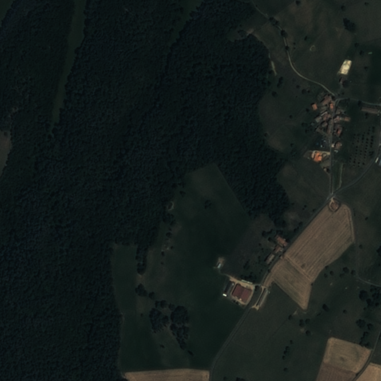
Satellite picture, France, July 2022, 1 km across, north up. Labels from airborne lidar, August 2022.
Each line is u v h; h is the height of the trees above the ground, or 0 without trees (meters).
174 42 0
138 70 19
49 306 10
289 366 0
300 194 0
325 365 0
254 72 22
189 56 21
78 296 25
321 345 0
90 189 17
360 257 0
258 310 0
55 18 22
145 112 11
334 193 0
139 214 10
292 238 0
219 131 20
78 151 19
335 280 0
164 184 28
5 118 15
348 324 0
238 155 21
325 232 0
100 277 20
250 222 0
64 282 21
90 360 25
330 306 0
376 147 0
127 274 0
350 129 0
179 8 8
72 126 20
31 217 17
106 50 18
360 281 0
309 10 0
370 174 0
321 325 0
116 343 11
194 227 0
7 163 11
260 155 15
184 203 0
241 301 0
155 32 18
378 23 0
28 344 14
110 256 10
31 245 15
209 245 0
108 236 14
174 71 18
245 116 15
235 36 0
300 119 0
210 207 9
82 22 0
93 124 14
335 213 0
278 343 0
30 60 17
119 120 12
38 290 15
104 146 18
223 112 22
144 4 16
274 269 0
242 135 20
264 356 0
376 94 0
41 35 22
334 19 0
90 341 25
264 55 17
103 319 16
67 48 18
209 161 19
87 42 21
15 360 13
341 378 0
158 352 0
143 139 14
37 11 16
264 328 0
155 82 7
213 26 8
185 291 0
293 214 0
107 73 16
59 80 20
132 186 17
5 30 17
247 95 17
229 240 0
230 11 12
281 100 0
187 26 17
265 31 0
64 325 15
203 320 0
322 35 0
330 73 0
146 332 0
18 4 23
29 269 17
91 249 28
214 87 22
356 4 0
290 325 0
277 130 0
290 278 0
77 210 16
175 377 0
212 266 0
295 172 0
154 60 22
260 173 18
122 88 19
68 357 22
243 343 0
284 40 0
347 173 0
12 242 26
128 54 17
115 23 14
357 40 0
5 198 14
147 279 0
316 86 0
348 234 0
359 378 0
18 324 9
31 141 17
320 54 0
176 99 22
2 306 15
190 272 0
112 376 15
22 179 19
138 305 0
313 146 0
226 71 20
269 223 0
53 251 12
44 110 19
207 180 0
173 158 28
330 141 0
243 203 5
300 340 0
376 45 0
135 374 0
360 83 0
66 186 21
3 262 30
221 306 0
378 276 0
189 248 0
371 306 25
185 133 22
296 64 0
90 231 18
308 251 0
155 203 14
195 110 13
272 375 0
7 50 12
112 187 23
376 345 0
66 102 21
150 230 16
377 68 0
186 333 16
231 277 0
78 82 17
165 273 0
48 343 14
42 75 21
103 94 14
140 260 15
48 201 20
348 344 0
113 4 22
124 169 23
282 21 0
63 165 19
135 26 13
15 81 14
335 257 0
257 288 9
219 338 0
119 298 0
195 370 0
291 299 0
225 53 16
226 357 0
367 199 0
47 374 15
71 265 23
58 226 10
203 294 0
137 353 0
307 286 0
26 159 14
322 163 0
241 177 14
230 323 0
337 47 0
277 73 0
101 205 31
